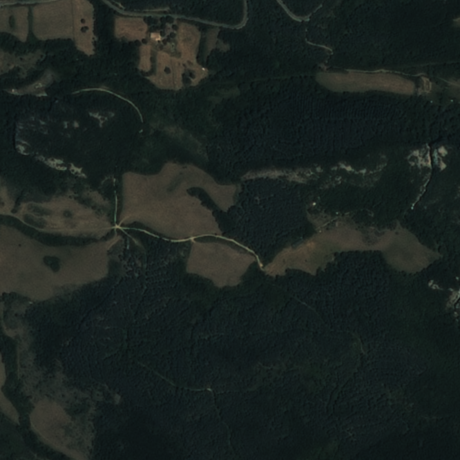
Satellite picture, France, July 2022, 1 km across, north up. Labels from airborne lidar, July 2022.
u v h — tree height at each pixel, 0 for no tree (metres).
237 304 14
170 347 15
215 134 6
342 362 10
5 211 0
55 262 6
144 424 9
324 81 0
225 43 8
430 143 12
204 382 13
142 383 15
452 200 6
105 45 15
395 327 12
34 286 0
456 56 16
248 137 21
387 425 19
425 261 0
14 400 12
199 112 8
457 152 6
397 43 15
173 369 14
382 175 9
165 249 14
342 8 13
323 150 18
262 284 6
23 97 14
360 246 0
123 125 9
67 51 16
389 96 10
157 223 0
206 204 12
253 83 15
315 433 16
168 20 17
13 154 12
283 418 15
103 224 0
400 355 18
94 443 9
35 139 5
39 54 0
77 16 0
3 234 0
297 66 13
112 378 13
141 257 9
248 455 14
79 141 8
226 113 10
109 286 7
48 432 0
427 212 7
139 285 14
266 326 13
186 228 0
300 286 20
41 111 7
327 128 19
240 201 10
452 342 14
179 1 17
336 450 8
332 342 15
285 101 16
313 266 0
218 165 16
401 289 9
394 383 20
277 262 0
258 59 12
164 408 12
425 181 27
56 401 0
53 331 8
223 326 10
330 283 16
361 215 10
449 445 13
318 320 15
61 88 9
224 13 14
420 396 13
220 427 14
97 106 14
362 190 9
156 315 16
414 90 0
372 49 15
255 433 16
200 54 6
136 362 10
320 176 7
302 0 15
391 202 18
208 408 12
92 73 13
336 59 5
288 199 20
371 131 19
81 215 0
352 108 24
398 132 20
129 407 7
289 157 13
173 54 0
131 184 0
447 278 15
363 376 16
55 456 16
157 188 0
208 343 11
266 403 14
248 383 12
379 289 20
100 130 6
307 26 10
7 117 14
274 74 13
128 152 13
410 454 15
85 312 6
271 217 17
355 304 12
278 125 13
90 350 13
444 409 10
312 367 7
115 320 14
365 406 20
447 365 12
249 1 16
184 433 10
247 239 19
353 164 6
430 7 8
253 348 12
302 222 19
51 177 7
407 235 0
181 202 0
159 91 6
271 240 20
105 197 6
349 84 0
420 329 12
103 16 10
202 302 7
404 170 13
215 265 0
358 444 17
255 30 7
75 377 7
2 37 12
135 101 10
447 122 16
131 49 11
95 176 8
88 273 0
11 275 0
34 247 0
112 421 7
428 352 10
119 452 12
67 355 14
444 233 13
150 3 14
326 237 0
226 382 13
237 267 0
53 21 0
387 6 10
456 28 8
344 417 15
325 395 17
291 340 12
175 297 8
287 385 12
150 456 10
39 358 7
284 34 10
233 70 16
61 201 0
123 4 10
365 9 12
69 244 10
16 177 6
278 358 14
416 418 5
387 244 0
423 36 15
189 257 0
